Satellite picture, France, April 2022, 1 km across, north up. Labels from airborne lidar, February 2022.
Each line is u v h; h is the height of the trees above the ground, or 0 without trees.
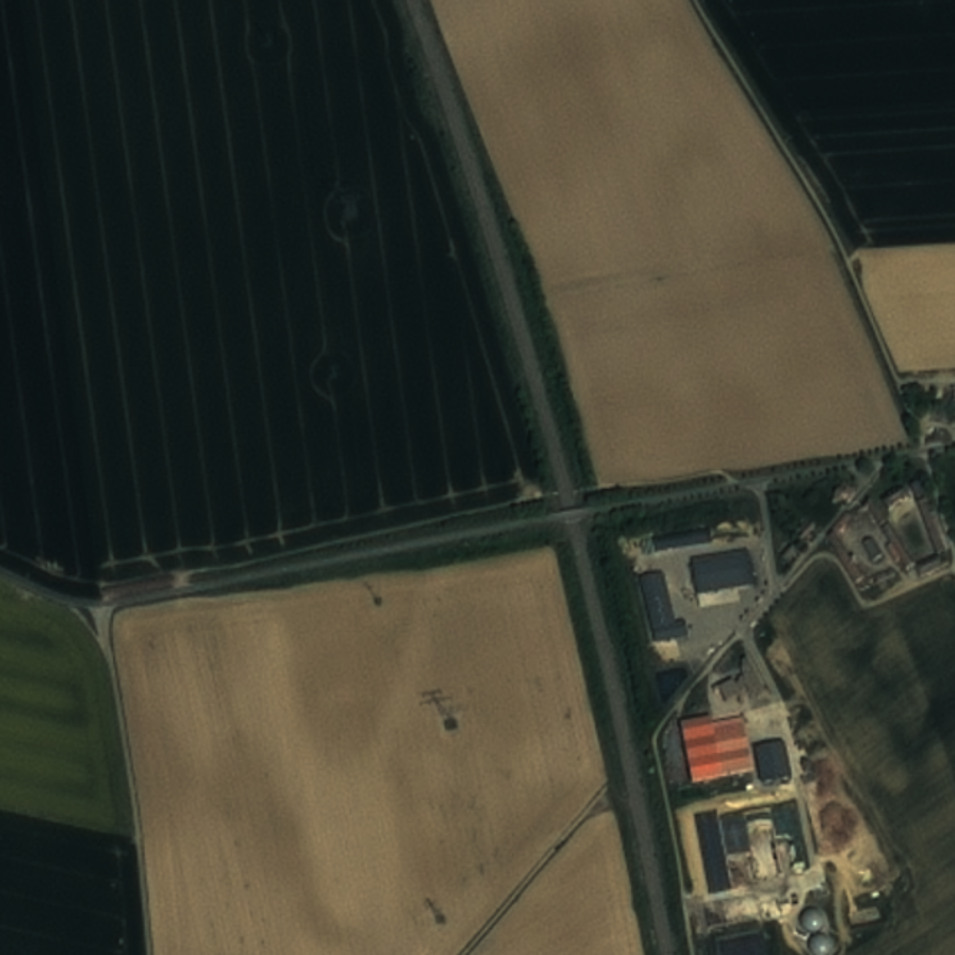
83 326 0
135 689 0
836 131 0
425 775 0
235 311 0
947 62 0
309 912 0
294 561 0
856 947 0
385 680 0
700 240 0
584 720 0
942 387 0
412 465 0
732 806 0
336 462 0
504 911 0
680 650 0
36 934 0
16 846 0
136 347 0
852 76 0
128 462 0
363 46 0
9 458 0
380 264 0
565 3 0
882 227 0
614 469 0
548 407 0
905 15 0
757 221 0
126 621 0
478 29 0
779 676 0
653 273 0
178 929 0
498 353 0
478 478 0
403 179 0
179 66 0
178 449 0
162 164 0
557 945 0
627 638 11
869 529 0
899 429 0
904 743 0
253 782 0
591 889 0
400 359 0
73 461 0
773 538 0
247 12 0
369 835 0
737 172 0
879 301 0
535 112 0
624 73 0
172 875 0
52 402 0
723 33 0
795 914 0
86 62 0
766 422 0
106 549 0
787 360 0
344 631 0
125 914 0
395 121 0
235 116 0
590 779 0
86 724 0
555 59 0
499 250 0
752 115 0
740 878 0
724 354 0
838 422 0
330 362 0
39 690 0
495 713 0
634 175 0
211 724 0
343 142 0
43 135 0
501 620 0
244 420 0
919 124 0
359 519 0
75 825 0
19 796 0
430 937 0
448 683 0
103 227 0
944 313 0
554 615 0
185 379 0
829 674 0
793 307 0
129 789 0
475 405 0
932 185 0
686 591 0
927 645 0
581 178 0
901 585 0
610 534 10
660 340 0
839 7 0
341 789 0
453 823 0
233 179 0
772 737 0
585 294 0
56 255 0
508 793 0
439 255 0
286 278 0
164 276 0
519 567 0
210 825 0
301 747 0
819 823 0
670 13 0
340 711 0
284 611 0
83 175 0
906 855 0
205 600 0
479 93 0
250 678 0
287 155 0
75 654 0
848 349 0
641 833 0
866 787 0
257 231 0
